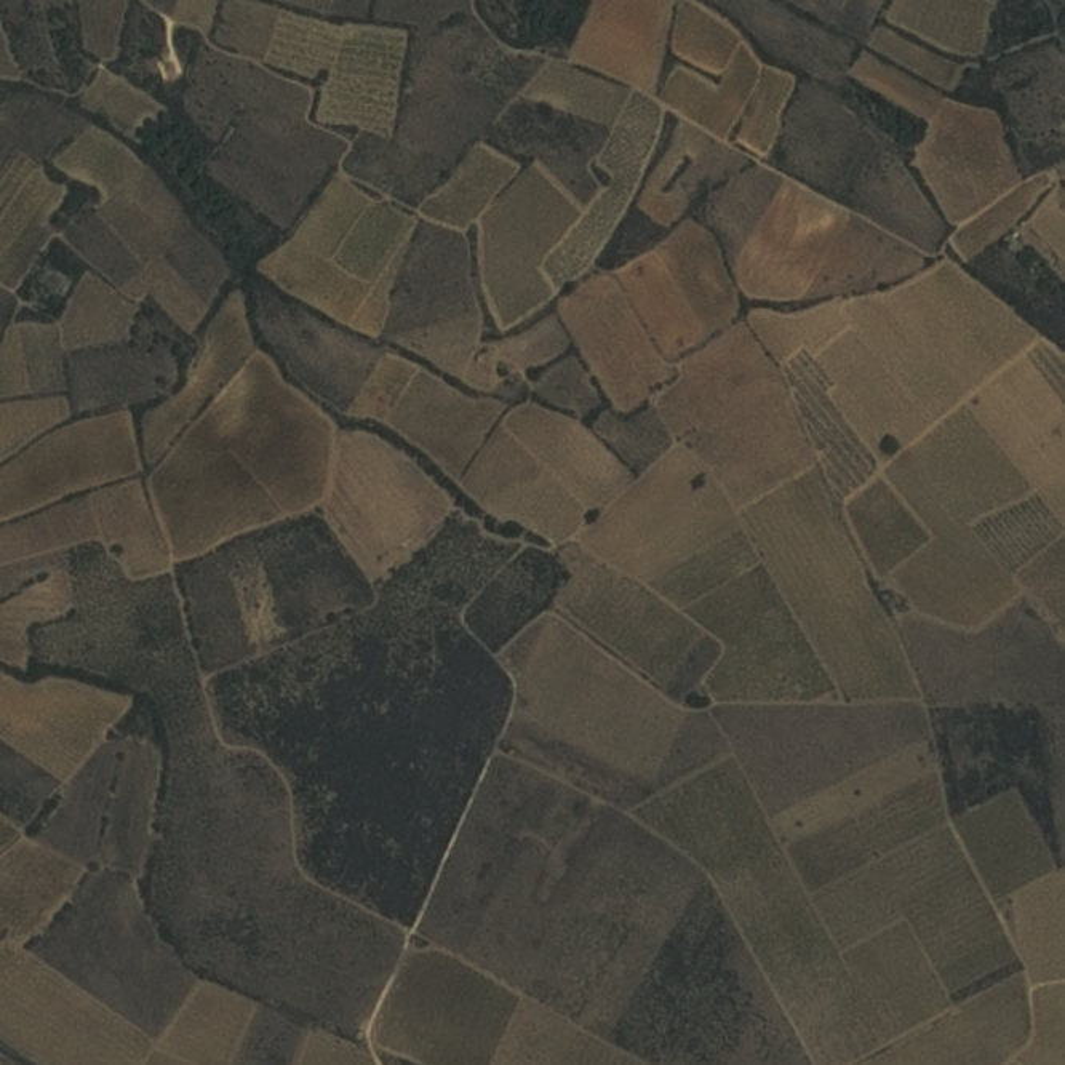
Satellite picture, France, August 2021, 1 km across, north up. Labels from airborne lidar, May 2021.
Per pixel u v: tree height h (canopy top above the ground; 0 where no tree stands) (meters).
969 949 0
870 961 0
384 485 0
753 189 0
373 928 0
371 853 0
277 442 0
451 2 0
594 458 0
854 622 0
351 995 0
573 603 0
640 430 0
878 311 0
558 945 0
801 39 0
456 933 0
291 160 0
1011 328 0
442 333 0
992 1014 0
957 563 0
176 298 0
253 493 0
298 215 0
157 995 0
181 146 8
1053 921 0
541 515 0
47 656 0
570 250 0
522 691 0
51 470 0
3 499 0
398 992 0
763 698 0
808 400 0
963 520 0
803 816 0
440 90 0
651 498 0
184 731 0
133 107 0
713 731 0
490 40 0
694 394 0
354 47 0
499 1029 0
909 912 0
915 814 0
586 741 0
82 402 0
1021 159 0
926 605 0
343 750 0
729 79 0
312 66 0
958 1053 0
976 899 0
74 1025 0
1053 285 7
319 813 0
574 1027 0
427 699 0
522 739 0
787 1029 0
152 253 0
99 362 0
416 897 0
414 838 0
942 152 0
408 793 0
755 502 0
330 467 0
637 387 0
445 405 0
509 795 0
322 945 0
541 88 0
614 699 0
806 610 0
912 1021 0
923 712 0
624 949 0
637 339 0
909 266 0
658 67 0
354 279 0
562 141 0
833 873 0
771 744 0
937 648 0
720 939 0
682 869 0
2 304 0
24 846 0
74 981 0
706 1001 0
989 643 0
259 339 7
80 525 0
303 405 0
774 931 0
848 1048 0
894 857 0
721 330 0
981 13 0
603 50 0
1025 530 0
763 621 0
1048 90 0
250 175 0
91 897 0
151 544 0
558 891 0
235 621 0
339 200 0
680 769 0
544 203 0
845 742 0
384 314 0
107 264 0
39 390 0
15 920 0
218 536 0
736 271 0
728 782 0
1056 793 0
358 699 0
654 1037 0
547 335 0
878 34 0
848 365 0
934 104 0
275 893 0
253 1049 0
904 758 0
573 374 0
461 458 0
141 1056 0
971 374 0
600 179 0
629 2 0
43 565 0
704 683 0
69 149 0
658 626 0
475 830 0
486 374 0
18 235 0
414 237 0
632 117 0
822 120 0
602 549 0
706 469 0
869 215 0
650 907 0
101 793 0
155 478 0
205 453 0
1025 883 0
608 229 0
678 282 0
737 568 0
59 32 6
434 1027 0
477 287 0
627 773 0
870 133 0
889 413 0
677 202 0
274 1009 0
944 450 0
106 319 0
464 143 0
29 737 0
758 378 0
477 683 0
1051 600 0
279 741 0
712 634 0
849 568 0
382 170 0
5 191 0
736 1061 0
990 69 6
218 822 0
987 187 0
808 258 0
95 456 0
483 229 0
